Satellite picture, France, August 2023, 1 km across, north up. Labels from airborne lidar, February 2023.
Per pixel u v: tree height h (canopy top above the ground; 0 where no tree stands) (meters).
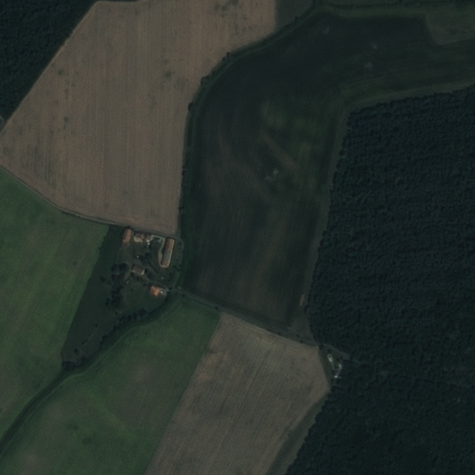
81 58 0
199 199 0
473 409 20
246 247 0
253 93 0
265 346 0
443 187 17
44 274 0
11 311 0
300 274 0
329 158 0
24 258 0
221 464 0
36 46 18
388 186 21
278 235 0
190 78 0
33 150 0
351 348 14
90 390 0
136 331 0
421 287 23
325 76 0
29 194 0
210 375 0
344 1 0
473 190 15
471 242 19
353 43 0
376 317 20
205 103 0
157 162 0
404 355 19
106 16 0
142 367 0
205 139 0
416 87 0
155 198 0
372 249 20
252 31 0
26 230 0
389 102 0
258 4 0
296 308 0
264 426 0
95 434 0
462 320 11
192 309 0
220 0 0
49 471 0
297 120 0
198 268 0
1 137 0
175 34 0
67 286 0
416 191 20
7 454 0
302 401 0
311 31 0
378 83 0
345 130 0
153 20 0
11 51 21
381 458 8
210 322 0
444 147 21
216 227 0
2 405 0
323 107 0
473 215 20
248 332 0
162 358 0
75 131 0
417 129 23
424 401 19
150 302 0
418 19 0
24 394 0
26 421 0
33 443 0
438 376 18
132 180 0
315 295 6
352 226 21
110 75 0
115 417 0
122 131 0
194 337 0
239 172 0
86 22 0
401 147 25
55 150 0
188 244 0
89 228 0
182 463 0
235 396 0
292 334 0
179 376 0
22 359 0
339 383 12
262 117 0
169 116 0
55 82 0
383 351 19
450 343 20
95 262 0
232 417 0
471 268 19
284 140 0
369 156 24
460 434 19
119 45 0
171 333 0
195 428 0
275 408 0
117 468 0
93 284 0
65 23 16
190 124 0
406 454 6
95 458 0
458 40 0
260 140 0
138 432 0
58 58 0
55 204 0
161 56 0
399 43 0
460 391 17
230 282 0
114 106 0
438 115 28
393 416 22
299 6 0
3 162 0
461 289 17
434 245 17
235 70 0
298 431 0
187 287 0
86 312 0
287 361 0
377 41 0
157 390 0
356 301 17
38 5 22
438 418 22
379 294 18
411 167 23
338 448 17
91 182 0
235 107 0
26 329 0
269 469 0
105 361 0
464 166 16
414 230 18
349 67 0
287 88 0
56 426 0
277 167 0
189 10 0
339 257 20
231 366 0
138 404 0
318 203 0
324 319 21
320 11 0
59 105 0
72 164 0
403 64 0
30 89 10
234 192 0
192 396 0
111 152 0
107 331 0
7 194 0
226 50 0
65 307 0
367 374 23
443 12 0
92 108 0
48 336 0
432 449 17
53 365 0
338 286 22
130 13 0
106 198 0
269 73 0
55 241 0
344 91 0
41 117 0
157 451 0
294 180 0
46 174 0
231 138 0
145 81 0
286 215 0
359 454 7
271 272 0
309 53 0
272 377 0
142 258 6
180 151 0
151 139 0
